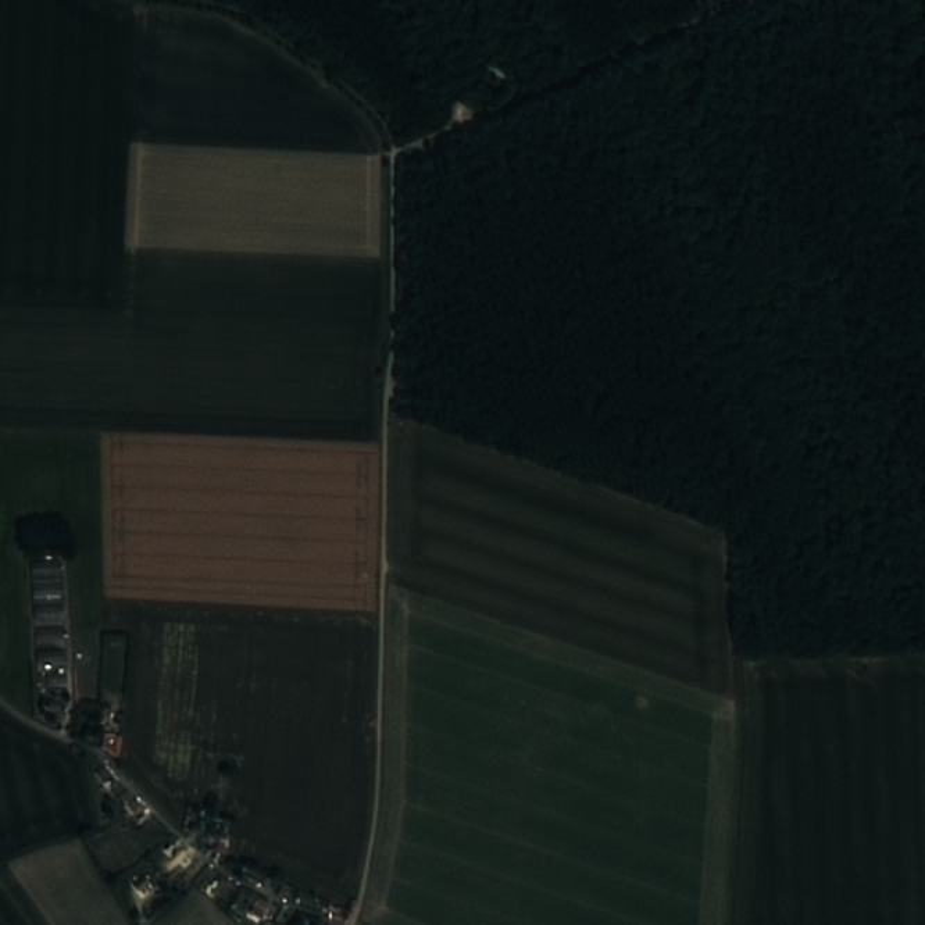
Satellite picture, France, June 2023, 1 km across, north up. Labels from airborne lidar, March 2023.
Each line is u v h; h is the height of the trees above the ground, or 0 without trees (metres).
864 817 0
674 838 0
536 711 0
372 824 0
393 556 0
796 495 26
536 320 35
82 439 0
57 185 0
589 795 0
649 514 0
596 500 0
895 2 28
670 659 0
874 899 0
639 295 36
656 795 0
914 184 32
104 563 0
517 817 0
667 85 24
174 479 0
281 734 0
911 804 0
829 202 35
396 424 0
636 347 37
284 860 0
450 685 0
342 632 0
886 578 27
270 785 0
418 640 0
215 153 0
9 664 0
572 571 0
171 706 0
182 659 0
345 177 0
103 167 0
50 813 0
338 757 0
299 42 20
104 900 0
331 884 0
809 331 29
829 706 0
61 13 0
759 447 24
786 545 19
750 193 24
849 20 25
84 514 0
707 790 0
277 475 0
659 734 0
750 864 0
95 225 0
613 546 0
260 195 0
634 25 9
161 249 0
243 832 0
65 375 0
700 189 24
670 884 0
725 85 25
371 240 0
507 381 34
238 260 0
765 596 31
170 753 0
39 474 0
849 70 25
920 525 28
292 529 0
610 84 23
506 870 0
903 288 38
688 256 23
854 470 28
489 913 0
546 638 0
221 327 0
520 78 16
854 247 37
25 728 0
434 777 0
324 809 0
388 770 0
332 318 0
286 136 0
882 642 21
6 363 0
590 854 0
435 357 31
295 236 0
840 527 21
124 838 0
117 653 0
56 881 0
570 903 0
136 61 0
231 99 0
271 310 0
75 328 0
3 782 0
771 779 0
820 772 0
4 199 0
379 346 0
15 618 0
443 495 0
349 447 0
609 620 0
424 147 0
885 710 0
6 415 0
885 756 0
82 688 0
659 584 0
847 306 31
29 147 0
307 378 0
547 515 0
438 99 15
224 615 0
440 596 0
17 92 0
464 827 0
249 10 10
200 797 0
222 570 0
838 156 39
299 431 0
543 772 0
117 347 0
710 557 0
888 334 27
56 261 0
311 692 0
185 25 0
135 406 0
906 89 22
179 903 0
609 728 0
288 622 0
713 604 0
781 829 0
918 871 0
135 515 0
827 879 0
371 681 0
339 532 0
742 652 14
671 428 35
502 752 0
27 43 0
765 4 25
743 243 27
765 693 0
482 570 0
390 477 0
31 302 0
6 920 0
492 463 0
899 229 31
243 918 0
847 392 18
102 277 0
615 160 23
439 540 0
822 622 24
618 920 0
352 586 0
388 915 0
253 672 0
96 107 0
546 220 36
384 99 15
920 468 35
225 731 0
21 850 0
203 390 0
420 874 0
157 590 0
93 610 0
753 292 23
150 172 0
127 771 0
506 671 0
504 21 22
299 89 0
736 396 24
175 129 0
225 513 0
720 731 0
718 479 23
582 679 0
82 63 0
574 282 38
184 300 0
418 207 29
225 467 0
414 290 27
